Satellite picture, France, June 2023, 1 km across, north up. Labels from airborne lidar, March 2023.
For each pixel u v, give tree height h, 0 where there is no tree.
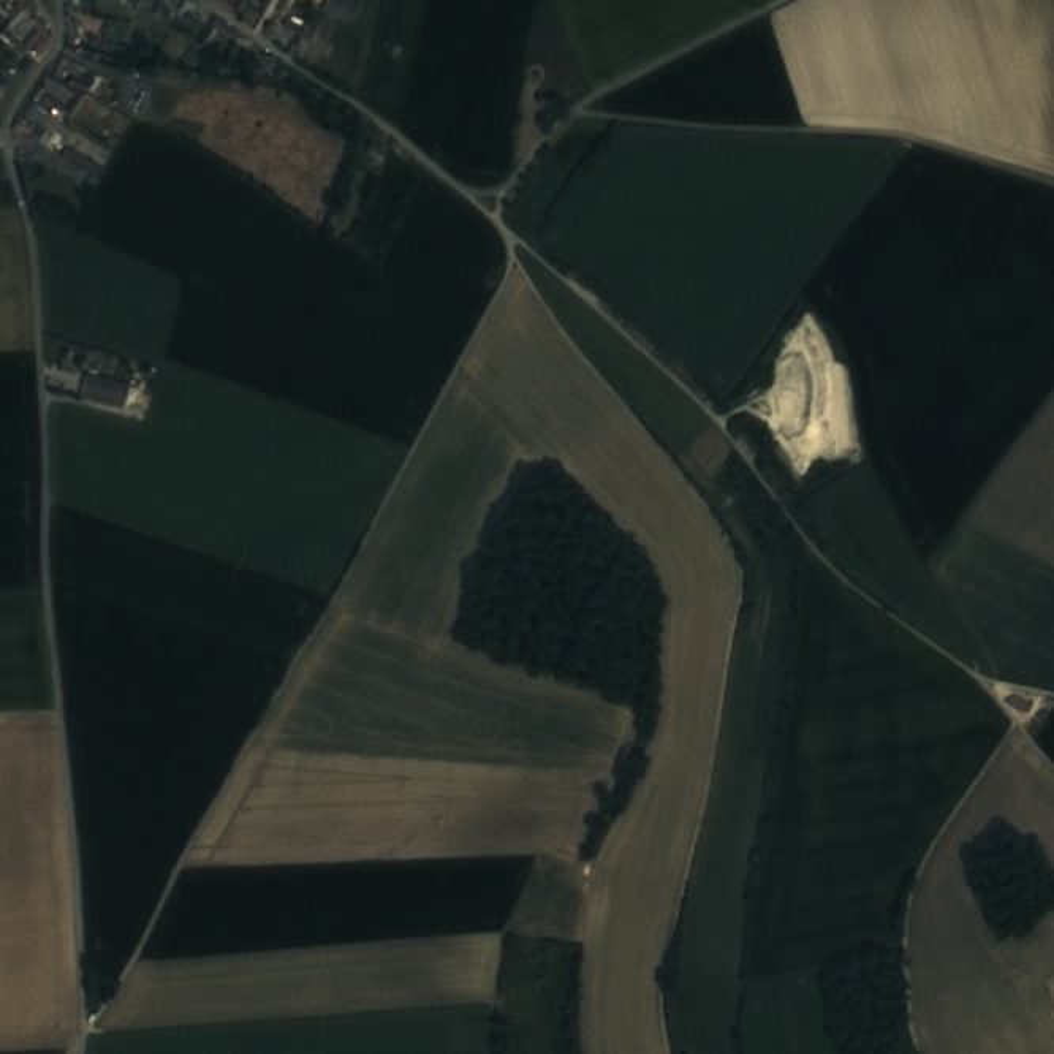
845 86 0
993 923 14
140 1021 0
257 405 0
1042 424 0
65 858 0
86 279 0
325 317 0
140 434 0
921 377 0
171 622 0
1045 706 0
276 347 0
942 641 0
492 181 0
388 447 0
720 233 0
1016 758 0
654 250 0
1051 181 0
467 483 0
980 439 0
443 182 0
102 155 0
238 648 0
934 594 0
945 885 0
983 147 0
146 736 0
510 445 0
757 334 0
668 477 0
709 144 0
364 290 0
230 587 0
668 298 0
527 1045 0
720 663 0
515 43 0
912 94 0
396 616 0
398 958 0
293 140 0
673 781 0
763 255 0
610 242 0
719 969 0
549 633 24
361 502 0
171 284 0
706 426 0
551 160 0
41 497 0
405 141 0
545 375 0
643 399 0
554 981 0
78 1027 0
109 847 0
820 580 0
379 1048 0
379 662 0
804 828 0
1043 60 0
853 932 0
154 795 0
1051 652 0
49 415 0
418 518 0
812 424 0
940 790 0
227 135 0
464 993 0
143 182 0
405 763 0
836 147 0
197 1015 0
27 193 14
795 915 0
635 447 0
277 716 0
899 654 0
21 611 0
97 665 0
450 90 0
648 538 0
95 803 0
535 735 0
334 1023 0
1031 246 0
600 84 0
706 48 0
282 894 0
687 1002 0
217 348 0
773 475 10
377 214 0
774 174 0
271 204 0
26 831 0
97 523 0
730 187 0
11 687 0
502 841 0
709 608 0
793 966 0
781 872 0
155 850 0
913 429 0
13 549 0
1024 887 21
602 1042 0
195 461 0
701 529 0
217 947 0
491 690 0
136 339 0
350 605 0
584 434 0
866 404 0
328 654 0
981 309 0
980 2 0
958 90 0
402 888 0
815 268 0
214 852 0
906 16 0
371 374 0
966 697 0
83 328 0
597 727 0
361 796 0
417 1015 0
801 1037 0
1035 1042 0
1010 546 0
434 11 0
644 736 11
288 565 0
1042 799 0
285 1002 0
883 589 0
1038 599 0
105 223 0
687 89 0
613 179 0
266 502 0
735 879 0
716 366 0
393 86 0
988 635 0
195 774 0
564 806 0
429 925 0
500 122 0
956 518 0
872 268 0
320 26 0
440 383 0
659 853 0
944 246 0
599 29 0
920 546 0
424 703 0
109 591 0
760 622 0
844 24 0
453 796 0
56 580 0
